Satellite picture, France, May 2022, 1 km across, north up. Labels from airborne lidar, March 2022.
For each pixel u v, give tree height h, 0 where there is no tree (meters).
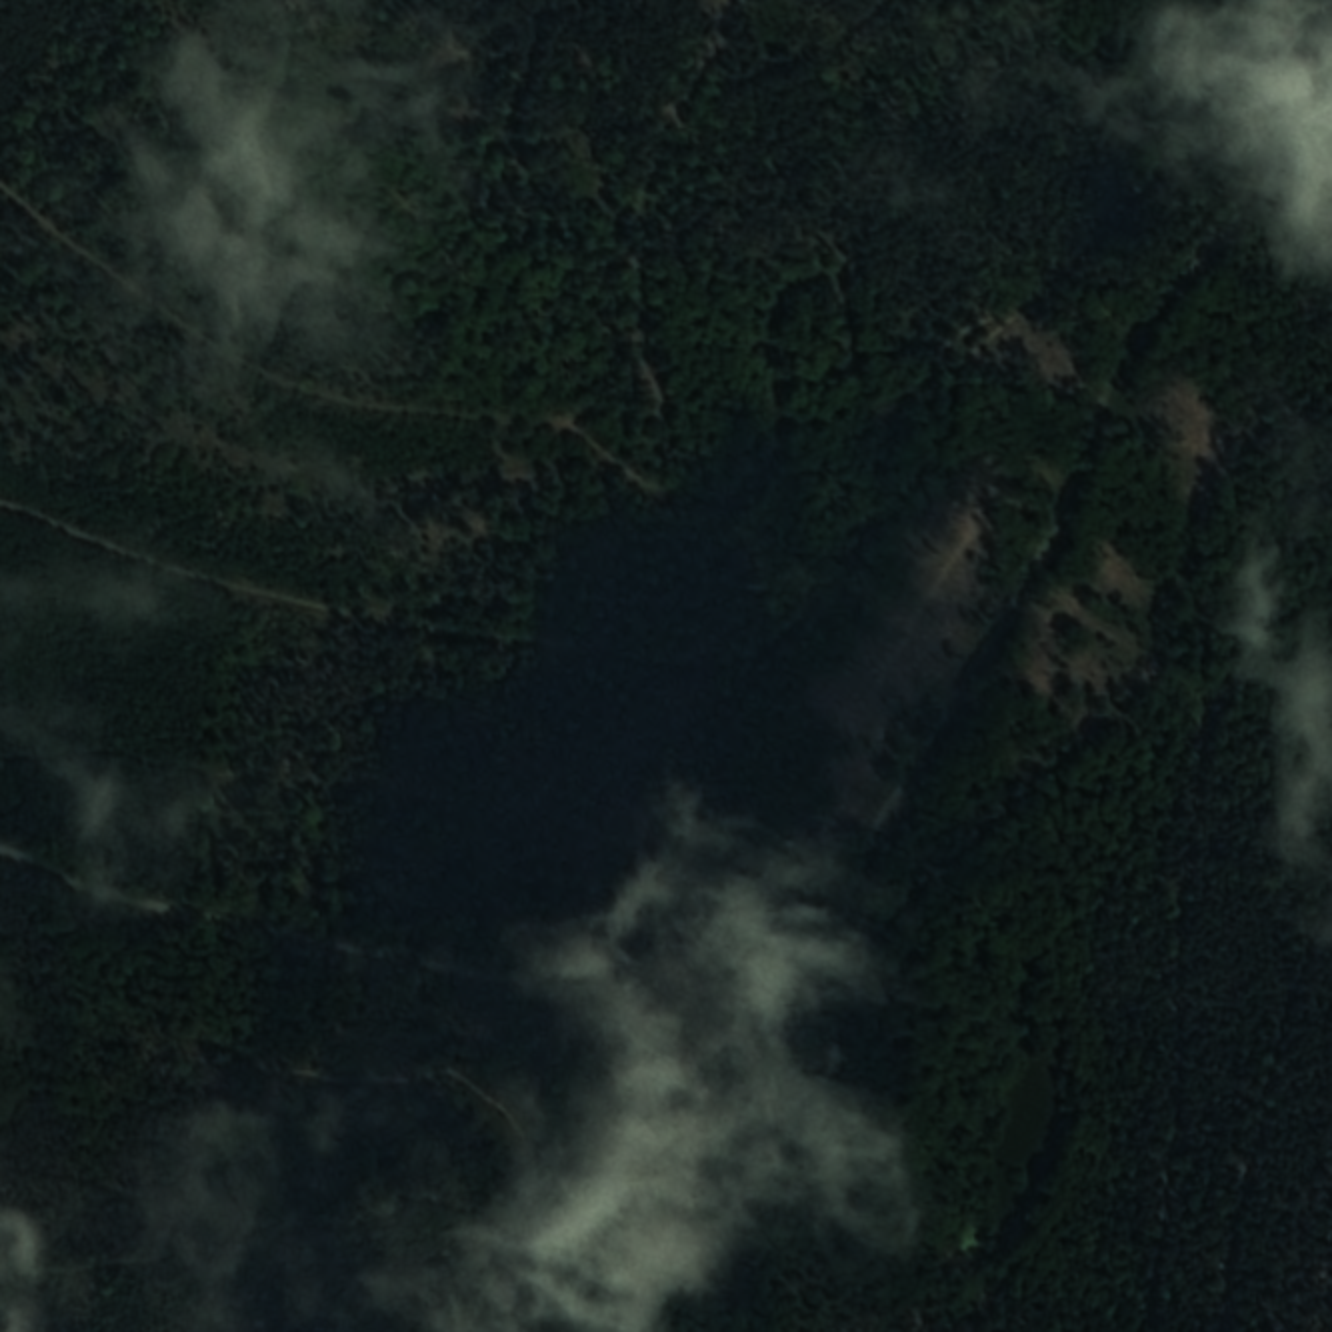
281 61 18
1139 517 29
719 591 26
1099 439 28
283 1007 29
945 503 24
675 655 26
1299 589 25
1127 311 28
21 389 24
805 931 26
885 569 31
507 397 24
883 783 23
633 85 23
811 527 29
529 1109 25
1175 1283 26
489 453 7
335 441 6
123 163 8
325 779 34
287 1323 28
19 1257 24
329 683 30
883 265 26
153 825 19
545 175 27
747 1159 27
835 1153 29
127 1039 22
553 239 24
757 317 24
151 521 13
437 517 32
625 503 24
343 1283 14
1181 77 8
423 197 26
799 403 26
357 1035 24
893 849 32
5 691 15
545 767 26
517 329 29
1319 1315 27
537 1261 13
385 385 20
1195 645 29
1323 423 29
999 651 26
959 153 27
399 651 30
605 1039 26
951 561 0
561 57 26
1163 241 26
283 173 16
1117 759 32
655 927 26
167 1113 28
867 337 29
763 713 26
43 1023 25
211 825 11
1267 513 24
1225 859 26
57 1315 9
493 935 29
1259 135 25
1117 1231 26
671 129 22
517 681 31
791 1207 32
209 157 8
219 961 28
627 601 22
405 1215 15
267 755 29
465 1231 14
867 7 25
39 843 16
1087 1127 26
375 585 8
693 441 23
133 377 24
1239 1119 28
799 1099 27
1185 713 28
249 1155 19
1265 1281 25
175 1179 27
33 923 25
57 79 19
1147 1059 25
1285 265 29
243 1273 12
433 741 31
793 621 14
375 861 32
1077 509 30
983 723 34
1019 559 26
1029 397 27
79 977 28
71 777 17
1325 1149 25
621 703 19
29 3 10
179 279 21
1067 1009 26
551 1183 27
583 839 29
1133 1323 27
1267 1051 18
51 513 13
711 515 27
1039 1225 30
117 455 7
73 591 13
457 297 30
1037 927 27
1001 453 27
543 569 29
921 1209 32
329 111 21
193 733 16
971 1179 18
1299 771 24
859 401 17
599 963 24
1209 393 27
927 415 25
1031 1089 0
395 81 28
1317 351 27
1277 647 23
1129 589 0
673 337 26
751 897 22
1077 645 28
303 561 10
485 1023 27
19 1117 29
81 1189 24
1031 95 24
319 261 17
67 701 14
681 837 28
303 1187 18
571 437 12
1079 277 27
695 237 24
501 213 30
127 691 16
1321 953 20
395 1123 29
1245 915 23
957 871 36
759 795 28
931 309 19
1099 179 24
